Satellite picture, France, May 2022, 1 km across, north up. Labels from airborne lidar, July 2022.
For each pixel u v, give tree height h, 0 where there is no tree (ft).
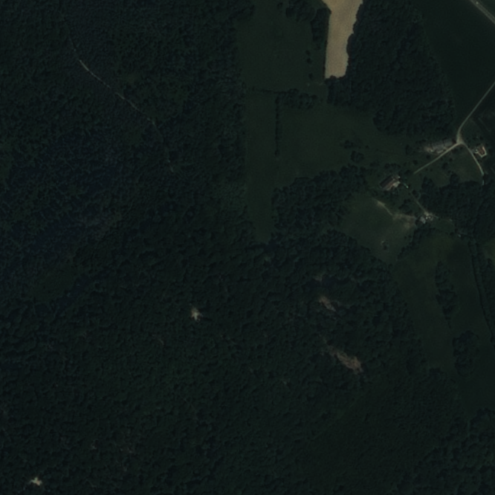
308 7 92
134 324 80
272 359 77
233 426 88
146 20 87
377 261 57
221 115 104
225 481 87
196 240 98
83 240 148
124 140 95
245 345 84
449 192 46
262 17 0
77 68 55
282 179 0
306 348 76
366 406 75
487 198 99
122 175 156
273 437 74
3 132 82
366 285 113
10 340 107
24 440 89
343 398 89
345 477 64
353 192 75
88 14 81
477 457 115
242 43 0
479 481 93
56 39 71
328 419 82
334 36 0
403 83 95
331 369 88
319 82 0
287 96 52
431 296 0
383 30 83
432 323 0
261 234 0
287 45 0
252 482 85
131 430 78
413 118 84
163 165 98
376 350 123
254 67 0
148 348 78
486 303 52
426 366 64
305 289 99
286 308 92
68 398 88
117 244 41
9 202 126
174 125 93
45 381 85
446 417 73
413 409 62
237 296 98
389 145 0
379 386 68
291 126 0
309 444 38
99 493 84
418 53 97
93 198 137
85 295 96
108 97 75
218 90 95
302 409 84
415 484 96
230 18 103
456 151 32
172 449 102
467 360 95
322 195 55
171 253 86
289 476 92
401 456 61
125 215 27
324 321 92
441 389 69
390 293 77
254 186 0
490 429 58
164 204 25
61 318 111
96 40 88
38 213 30
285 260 106
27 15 91
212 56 91
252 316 101
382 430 56
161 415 64
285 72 0
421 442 60
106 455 91
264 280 115
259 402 82
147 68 44
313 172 0
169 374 64
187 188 75
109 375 78
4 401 90
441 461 82
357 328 109
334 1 0
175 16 82
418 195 46
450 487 92
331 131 0
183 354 69
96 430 91
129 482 87
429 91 85
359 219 0
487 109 0
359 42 72
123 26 80
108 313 80
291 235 74
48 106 70
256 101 0
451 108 41
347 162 0
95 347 94
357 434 56
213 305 90
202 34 85
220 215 119
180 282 74
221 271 95
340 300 118
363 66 94
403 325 90
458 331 0
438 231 23
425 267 0
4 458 88
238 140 70
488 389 0
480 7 0
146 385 71
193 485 111
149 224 85
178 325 70
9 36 86
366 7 60
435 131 67
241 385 84
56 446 87
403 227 0
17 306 54
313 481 53
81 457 84
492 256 0
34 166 19
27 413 88
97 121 81
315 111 0
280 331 92
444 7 0
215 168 110
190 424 95
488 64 0
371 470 58
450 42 0
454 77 0
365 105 91
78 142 98
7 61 90
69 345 88
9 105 89
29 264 102
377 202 0
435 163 0
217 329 89
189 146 59
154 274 84
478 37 0
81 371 87
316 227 90
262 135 0
